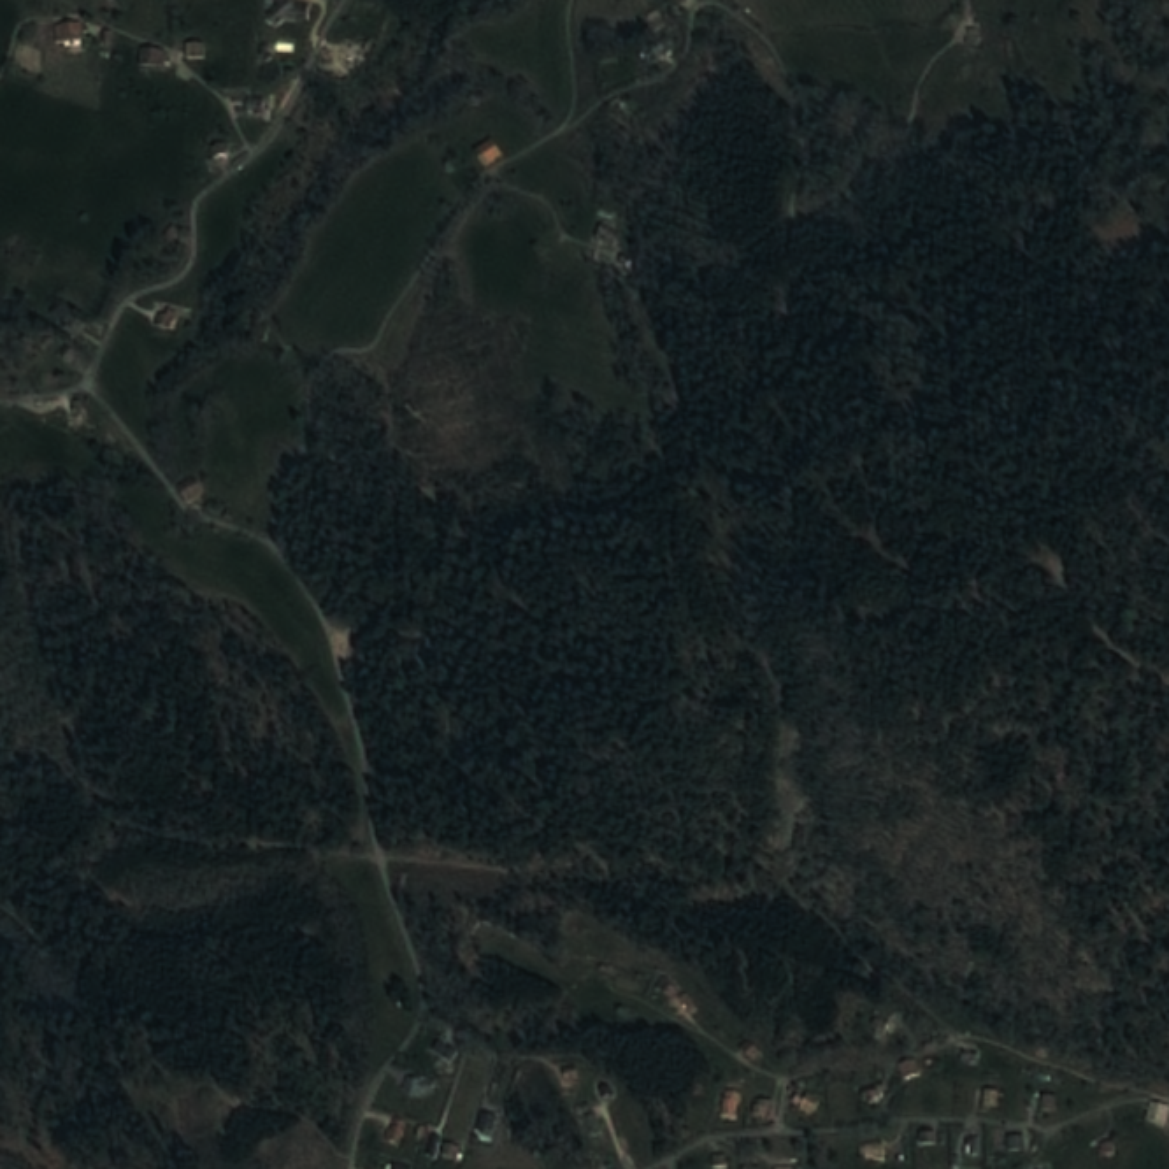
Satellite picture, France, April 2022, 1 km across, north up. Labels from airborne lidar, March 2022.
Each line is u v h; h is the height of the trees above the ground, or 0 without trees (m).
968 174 21
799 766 15
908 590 7
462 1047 16
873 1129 12
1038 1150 0
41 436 0
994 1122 0
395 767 9
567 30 0
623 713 25
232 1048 20
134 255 25
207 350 15
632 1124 0
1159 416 13
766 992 8
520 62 0
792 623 19
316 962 23
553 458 0
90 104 0
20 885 12
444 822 25
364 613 32
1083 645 16
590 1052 22
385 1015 0
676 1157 0
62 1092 10
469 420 0
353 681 10
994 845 19
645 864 17
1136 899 34
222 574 0
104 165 0
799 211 0
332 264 0
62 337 13
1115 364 25
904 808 18
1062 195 19
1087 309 7
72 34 0
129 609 29
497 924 22
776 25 0
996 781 14
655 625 19
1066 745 21
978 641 28
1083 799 19
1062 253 17
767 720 25
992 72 0
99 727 9
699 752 22
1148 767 24
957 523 11
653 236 14
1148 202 23
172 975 17
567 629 12
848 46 0
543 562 30
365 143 19
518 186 0
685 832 24
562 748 17
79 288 0
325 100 6
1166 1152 0
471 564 27
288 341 0
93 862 11
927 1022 18
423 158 0
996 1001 14
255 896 6
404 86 13
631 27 0
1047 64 0
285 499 28
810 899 6
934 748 17
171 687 13
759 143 17
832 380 20
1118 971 20
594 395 0
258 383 0
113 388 0
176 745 12
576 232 0
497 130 0
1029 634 20
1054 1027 13
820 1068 19
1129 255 19
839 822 15
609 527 27
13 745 11
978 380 15
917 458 15
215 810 18
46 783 13
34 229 0
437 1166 5
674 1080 25
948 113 0
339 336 0
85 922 28
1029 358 18
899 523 14
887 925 16
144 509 0
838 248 23
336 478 19
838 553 13
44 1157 22
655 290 21
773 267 21
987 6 0
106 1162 35
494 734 21
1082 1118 0
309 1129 0
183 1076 26
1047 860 16
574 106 0
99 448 15
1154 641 13
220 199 0
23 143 0
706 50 20
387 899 0
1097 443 21
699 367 18
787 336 17
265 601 0
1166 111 19
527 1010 17
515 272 0
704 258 12
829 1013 12
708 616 10
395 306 0
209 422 20
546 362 0
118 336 0
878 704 15
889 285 29
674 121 0
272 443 0
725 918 11
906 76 0
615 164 9
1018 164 29
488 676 19
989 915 12
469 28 16
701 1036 0
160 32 0
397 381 0
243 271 27
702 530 9
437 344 0
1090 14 0
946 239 22
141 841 20
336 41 0
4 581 19
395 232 0
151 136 0
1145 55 21
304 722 24
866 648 16
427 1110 0
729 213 18
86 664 25
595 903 9
